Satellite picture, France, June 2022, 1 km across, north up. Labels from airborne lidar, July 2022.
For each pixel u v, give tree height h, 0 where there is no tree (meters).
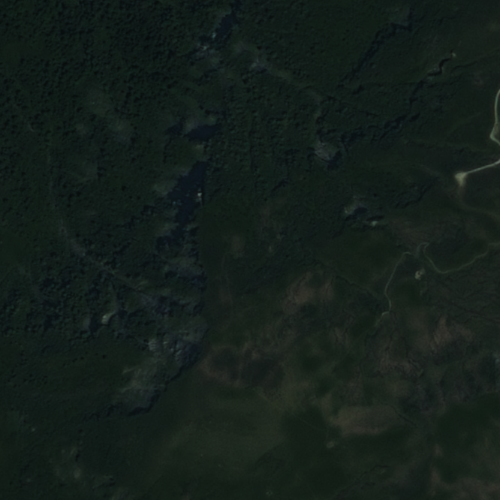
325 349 0
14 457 0
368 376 0
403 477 0
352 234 0
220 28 0
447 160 0
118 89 10
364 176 0
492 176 0
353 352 0
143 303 0
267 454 0
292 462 0
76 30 8
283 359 0
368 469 0
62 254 6
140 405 0
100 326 11
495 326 0
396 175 0
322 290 0
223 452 0
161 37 8
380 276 0
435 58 0
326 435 0
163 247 8
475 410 0
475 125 0
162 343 0
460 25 0
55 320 9
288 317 0
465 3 0
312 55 11
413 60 0
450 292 0
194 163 0
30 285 8
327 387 0
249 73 12
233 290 0
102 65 7
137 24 8
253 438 0
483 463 0
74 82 7
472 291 0
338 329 0
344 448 0
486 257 0
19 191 10
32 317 9
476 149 0
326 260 0
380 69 0
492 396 0
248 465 0
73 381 0
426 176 0
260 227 0
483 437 0
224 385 0
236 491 0
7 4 10
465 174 0
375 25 0
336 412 0
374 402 0
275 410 0
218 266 0
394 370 0
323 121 10
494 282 0
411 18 6
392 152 0
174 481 0
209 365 0
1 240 0
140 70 8
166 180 0
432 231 0
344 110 8
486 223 0
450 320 0
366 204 0
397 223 0
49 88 6
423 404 0
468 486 0
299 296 0
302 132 6
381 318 0
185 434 0
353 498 0
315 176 0
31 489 0
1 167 10
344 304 0
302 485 0
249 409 0
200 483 0
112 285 6
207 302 0
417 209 0
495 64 0
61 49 7
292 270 0
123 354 0
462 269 0
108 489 0
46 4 11
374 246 0
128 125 0
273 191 9
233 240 0
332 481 0
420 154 0
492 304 0
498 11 0
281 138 6
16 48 0
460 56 0
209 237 0
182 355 0
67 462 0
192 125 0
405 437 0
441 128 0
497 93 0
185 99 0
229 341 0
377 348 0
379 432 0
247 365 0
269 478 0
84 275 15
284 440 0
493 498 0
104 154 9
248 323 0
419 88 6
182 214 0
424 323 0
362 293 0
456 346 0
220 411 0
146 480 0
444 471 0
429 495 0
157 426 0
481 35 0
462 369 0
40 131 9
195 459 0
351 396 0
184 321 0
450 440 0
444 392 0
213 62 0
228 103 9
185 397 0
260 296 0
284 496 0
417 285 0
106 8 8
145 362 0
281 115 6
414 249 0
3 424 0
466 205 0
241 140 6
